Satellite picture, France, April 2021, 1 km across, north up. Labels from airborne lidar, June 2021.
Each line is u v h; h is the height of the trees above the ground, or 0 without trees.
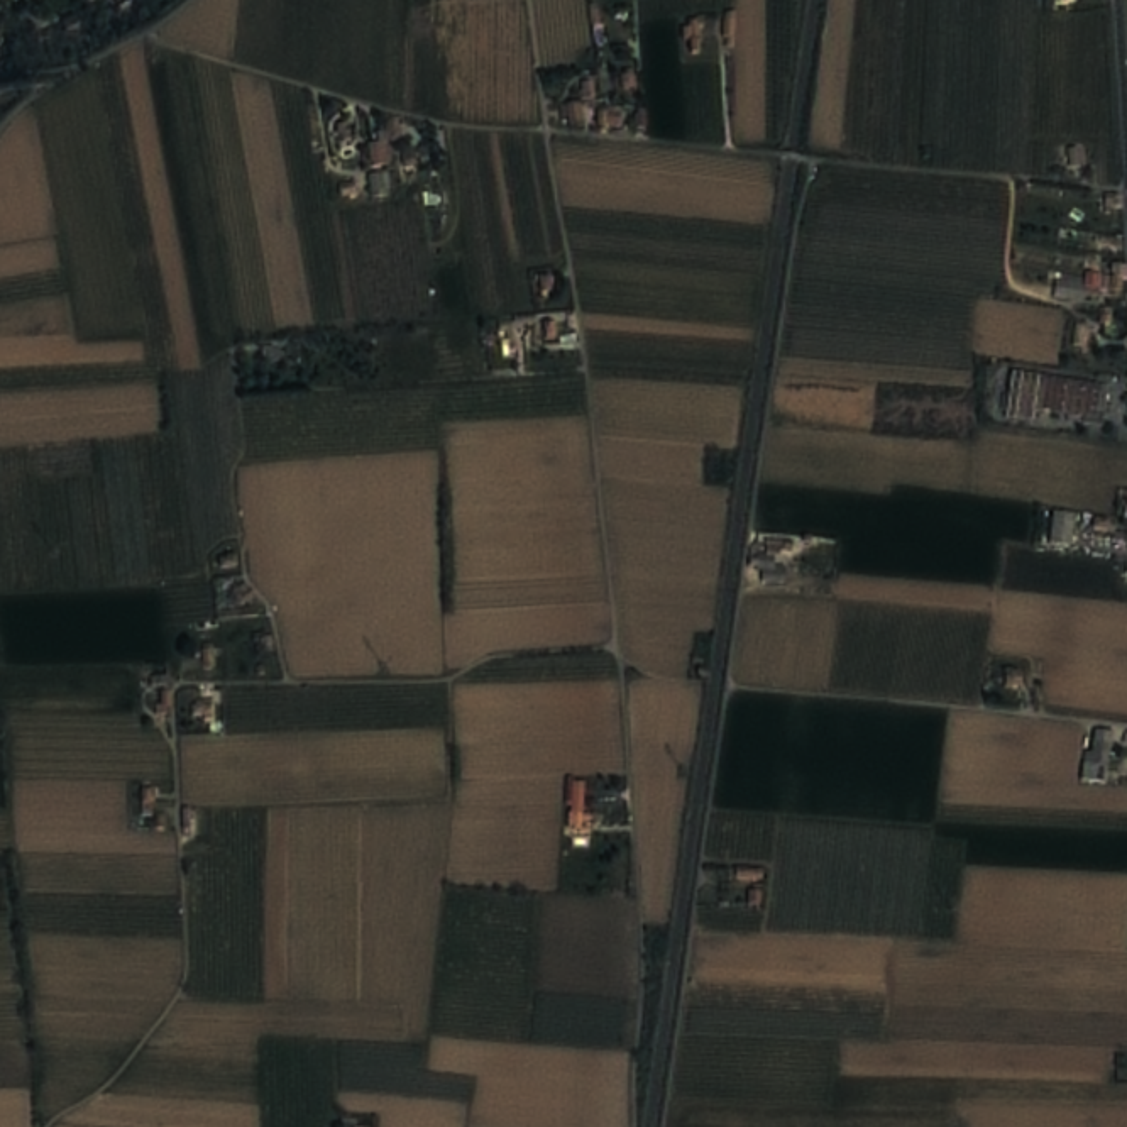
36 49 13
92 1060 0
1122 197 0
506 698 0
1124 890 0
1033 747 0
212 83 0
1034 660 0
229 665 0
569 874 0
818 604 0
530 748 0
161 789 0
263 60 0
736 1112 0
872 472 0
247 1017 0
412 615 0
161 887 0
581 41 0
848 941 0
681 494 0
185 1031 0
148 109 0
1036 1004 0
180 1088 0
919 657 0
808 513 0
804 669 0
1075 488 0
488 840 0
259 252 0
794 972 0
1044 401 0
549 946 0
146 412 0
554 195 0
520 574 0
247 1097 0
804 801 0
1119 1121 0
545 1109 0
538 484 0
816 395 0
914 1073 0
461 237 0
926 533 0
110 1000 0
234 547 0
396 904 0
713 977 0
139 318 0
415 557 0
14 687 0
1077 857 0
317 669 0
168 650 0
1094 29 0
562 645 0
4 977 0
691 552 0
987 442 0
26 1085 0
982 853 0
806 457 0
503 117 0
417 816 0
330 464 0
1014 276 0
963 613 0
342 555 0
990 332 0
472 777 0
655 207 0
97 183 0
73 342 0
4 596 0
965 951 0
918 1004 0
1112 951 0
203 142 0
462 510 0
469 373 0
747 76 0
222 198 0
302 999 0
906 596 0
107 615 0
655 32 0
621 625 0
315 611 0
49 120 0
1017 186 10
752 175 0
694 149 0
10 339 0
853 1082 0
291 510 0
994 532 0
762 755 0
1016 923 0
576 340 0
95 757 0
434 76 0
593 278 0
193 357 0
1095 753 0
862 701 0
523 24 0
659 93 0
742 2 0
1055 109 0
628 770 0
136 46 0
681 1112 0
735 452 7
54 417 0
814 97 7
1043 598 0
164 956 0
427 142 10
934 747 0
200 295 0
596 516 0
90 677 0
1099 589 0
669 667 0
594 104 6
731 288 0
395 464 0
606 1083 0
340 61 0
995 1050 0
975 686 0
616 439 0
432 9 0
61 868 0
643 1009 0
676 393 0
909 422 0
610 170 0
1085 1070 0
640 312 0
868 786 0
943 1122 0
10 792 0
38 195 0
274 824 0
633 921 0
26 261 0
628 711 0
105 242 0
